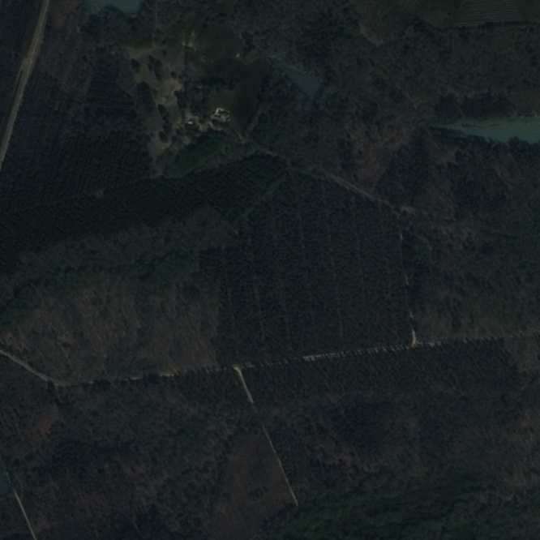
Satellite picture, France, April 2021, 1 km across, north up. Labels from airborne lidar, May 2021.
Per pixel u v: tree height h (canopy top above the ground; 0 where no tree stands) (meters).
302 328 13
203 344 18
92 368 18
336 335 17
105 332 22
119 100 13
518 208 17
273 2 19
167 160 16
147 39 20
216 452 12
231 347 13
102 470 15
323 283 15
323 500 13
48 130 11
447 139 21
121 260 11
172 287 23
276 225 14
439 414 24
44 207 14
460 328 22
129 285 19
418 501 6
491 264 10
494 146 16
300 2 22
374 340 15
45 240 12
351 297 14
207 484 17
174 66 0
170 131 18
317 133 17
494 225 19
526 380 16
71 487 12
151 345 18
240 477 0
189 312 19
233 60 0
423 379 18
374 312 14
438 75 12
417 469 24
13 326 21
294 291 18
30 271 10
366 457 21
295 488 6
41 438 12
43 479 24
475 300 14
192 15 14
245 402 17
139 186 14
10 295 11
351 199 19
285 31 24
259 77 0
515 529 17
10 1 9
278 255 12
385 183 18
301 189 13
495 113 20
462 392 10
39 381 6
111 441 20
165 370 18
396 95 23
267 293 17
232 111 0
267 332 12
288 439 18
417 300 19
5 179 12
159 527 25
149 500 8
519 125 0
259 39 17
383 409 21
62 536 6
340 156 19
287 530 13
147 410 14
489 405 21
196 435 20
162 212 15
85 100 9
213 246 8
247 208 15
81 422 21
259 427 23
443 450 20
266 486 0
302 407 15
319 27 25
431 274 24
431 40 13
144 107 14
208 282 20
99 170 14
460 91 22
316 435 23
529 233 19
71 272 18
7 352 14
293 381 18
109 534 9
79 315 20
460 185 16
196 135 11
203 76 0
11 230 14
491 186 19
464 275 9
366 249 16
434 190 15
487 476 9
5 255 15
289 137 15
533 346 15
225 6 0
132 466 9
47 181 14
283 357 12
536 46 10
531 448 11
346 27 12
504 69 10
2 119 9
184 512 18
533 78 13
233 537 0
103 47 13
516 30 13
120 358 17
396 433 17
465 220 17
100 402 14
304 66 15
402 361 17
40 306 16
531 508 22
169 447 18
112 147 12
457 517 17
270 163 15
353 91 21
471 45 8
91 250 8
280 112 19
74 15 11
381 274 17
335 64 14
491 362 14
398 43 5
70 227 15
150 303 19
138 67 18
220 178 16
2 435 9
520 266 15
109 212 13
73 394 15
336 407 17
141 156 12
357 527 11
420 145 21
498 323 16
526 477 16
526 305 23
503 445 8
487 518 17
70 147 14
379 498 22
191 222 10
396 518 21
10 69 10
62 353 22
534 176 18
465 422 14
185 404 14
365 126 11
